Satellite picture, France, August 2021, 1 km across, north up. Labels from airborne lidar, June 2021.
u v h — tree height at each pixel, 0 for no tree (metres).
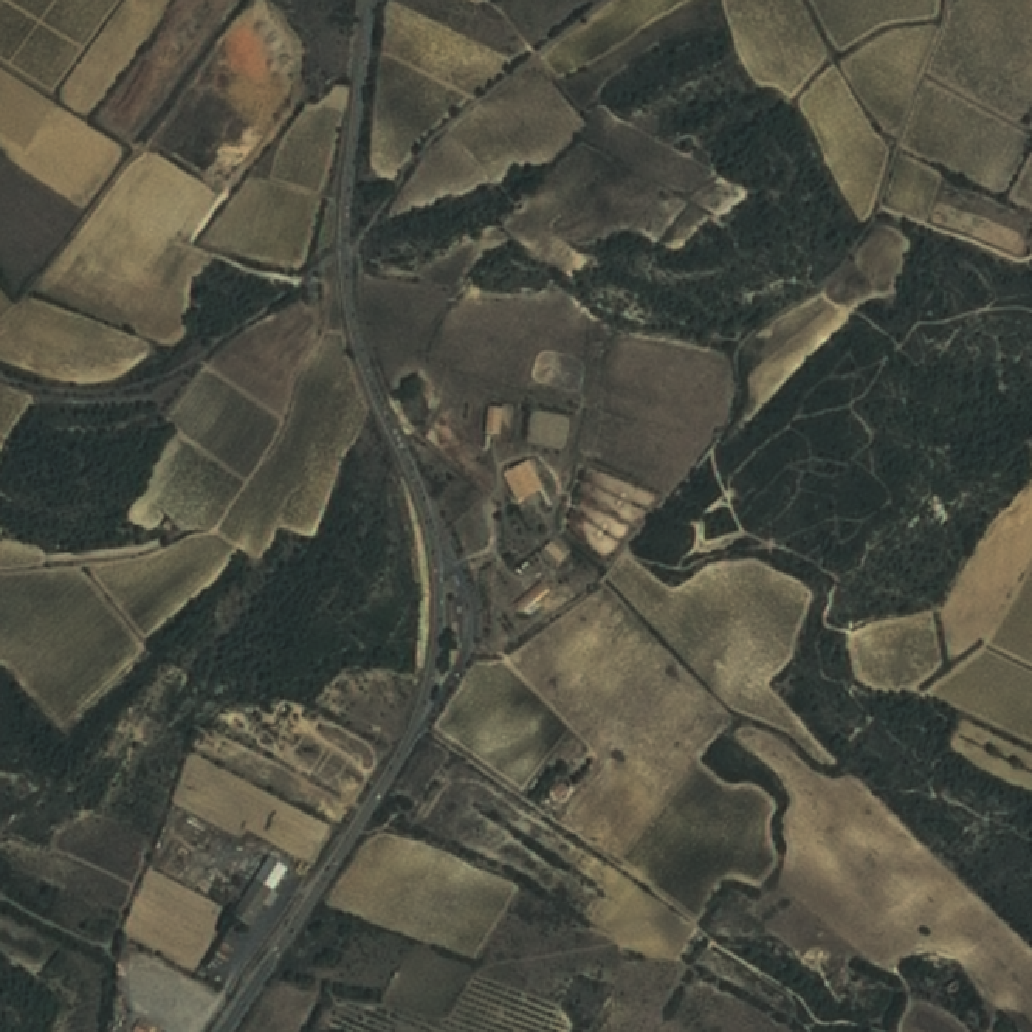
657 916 0
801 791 0
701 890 0
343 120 0
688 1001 0
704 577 0
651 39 0
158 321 0
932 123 0
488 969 0
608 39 0
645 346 0
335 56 0
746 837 0
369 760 0
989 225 0
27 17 0
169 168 0
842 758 6
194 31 0
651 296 6
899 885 0
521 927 0
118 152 0
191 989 0
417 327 0
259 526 0
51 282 0
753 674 0
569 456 0
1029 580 0
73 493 7
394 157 0
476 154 0
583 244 0
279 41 0
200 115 0
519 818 0
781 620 0
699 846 0
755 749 0
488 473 0
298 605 7
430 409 0
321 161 0
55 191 0
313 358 0
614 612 0
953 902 0
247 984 0
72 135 0
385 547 7
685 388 0
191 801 0
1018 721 0
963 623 0
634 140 0
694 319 8
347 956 0
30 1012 6
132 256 0
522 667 0
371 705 0
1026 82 0
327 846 0
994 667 0
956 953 0
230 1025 0
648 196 0
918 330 0
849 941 0
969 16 0
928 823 8
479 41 0
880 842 0
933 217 0
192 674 8
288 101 0
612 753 0
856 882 0
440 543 0
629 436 0
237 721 0
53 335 0
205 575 0
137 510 0
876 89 0
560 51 0
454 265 0
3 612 0
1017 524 0
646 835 0
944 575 7
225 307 7
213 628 9
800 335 0
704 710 0
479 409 0
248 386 0
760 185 6
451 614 0
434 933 0
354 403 0
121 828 0
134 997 0
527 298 0
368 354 0
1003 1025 8
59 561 0
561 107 0
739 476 0
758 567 0
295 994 0
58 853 0
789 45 0
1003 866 0
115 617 0
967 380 8
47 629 0
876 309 8
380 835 0
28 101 0
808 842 0
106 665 0
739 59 0
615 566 0
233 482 0
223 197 0
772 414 7
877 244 0
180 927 0
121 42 0
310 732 0
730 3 0
